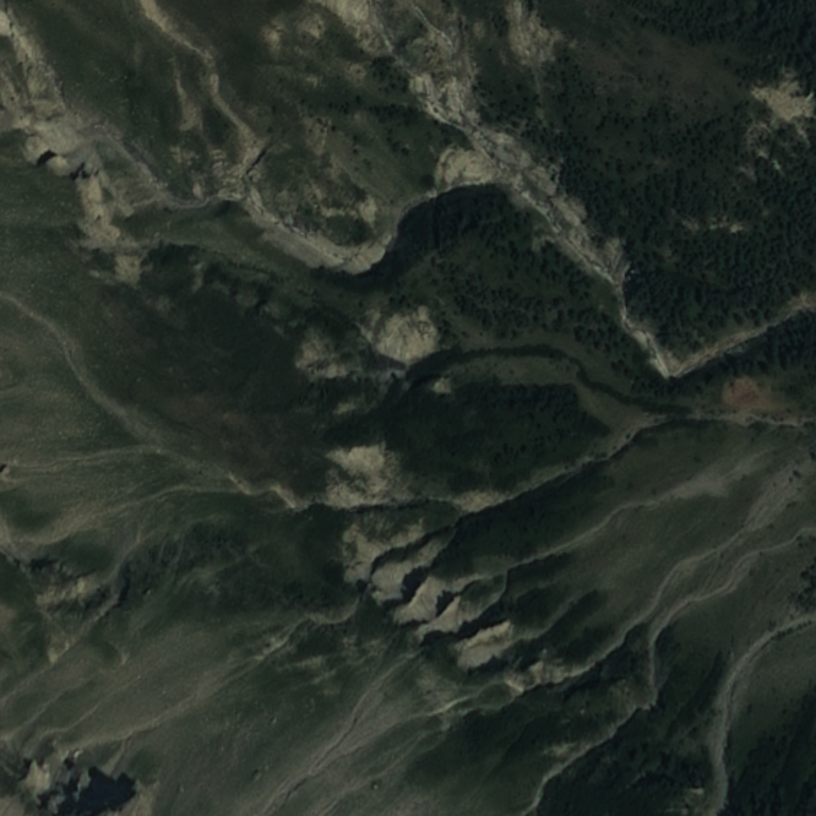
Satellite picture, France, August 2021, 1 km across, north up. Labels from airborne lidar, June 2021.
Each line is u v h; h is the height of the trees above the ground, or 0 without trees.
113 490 0
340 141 0
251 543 0
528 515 6
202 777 0
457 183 0
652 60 0
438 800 0
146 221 0
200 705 0
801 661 0
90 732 0
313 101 0
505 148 0
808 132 7
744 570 0
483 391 8
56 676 0
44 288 0
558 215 0
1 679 0
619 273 0
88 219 0
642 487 0
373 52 0
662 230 22
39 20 0
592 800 6
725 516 0
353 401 0
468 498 0
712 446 0
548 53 0
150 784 0
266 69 0
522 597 5
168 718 0
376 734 0
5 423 0
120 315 0
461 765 0
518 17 0
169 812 0
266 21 0
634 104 9
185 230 0
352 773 0
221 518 0
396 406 6
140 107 0
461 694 0
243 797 0
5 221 0
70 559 0
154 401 0
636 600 0
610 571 0
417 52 0
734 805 6
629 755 6
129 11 0
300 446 0
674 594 0
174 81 0
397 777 0
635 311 7
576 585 0
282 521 0
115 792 0
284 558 0
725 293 7
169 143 0
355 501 0
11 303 0
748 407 0
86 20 0
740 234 12
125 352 0
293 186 0
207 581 0
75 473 0
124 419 0
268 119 0
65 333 0
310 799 0
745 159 8
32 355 0
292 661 0
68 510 0
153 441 0
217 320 0
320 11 0
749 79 10
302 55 0
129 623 0
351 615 0
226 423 0
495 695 0
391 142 9
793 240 15
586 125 0
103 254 0
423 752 0
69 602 0
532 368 0
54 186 0
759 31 15
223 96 0
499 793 0
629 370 9
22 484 0
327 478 0
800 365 23
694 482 0
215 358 0
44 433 0
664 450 0
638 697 0
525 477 6
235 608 0
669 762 24
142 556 0
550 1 0
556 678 0
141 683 0
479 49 0
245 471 0
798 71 7
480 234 11
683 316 22
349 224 0
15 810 0
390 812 0
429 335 0
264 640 0
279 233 0
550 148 11
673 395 13
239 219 0
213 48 0
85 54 0
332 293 0
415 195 0
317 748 0
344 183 0
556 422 12
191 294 0
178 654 0
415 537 0
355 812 0
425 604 0
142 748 0
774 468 0
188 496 0
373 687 0
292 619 0
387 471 0
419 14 0
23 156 0
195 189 0
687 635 0
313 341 0
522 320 16
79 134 0
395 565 0
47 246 0
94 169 0
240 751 0
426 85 0
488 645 0
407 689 0
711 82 0
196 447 0
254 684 0
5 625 0
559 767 0
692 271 19
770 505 0
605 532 0
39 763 0
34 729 0
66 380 0
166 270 0
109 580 0
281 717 0
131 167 0
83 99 0
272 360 0
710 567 0
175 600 0
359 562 0
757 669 0
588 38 0
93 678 0
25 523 0
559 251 11
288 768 0
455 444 7
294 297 0
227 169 0
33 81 0
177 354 0
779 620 0
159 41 0
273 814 0
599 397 0
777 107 0
